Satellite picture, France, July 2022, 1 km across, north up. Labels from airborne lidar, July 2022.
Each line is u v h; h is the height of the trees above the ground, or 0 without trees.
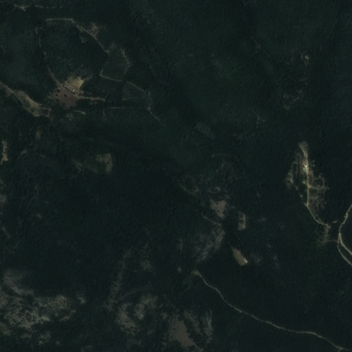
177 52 6
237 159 7
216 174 12
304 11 12
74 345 9
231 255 12
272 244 7
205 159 13
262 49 11
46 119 12
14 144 10
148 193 14
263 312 14
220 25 12
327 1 13
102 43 6
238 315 7
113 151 16
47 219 7
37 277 8
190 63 8
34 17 8
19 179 10
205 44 11
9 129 10
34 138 11
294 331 10
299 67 8
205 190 6
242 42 6
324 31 11
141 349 10
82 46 13
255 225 9
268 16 6
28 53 9
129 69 6
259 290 12
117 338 7
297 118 7
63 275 8
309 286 7
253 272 11
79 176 9
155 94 13
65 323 8
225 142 15
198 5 12
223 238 8
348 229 9
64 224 9
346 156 9
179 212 8
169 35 7
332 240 7
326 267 9
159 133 10
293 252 6
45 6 6
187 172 10
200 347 8
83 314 8
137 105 10
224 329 9
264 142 8
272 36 8
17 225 13
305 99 6
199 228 6
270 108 10
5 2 8
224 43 17
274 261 7
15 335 7
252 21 8
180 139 13
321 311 9
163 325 8
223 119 7
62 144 13
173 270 6
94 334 8
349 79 8
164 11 10
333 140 11
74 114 7
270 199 7
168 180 14
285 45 6
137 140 10
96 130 14
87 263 20
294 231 7
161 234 9
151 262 6
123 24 15
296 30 6
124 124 7
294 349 8
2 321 7
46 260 11
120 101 13
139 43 7
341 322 11
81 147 11
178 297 11
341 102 10
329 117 12
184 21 7
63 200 17
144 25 6
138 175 12
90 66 7
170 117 11
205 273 14
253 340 9
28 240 13
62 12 11
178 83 11
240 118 6
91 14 12
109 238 12
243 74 15
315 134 11
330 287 11
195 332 6
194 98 6
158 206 13
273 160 9
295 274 9
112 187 9
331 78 8
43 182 7
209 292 13
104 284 9
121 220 9
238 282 11
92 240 11
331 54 10
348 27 6
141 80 8
